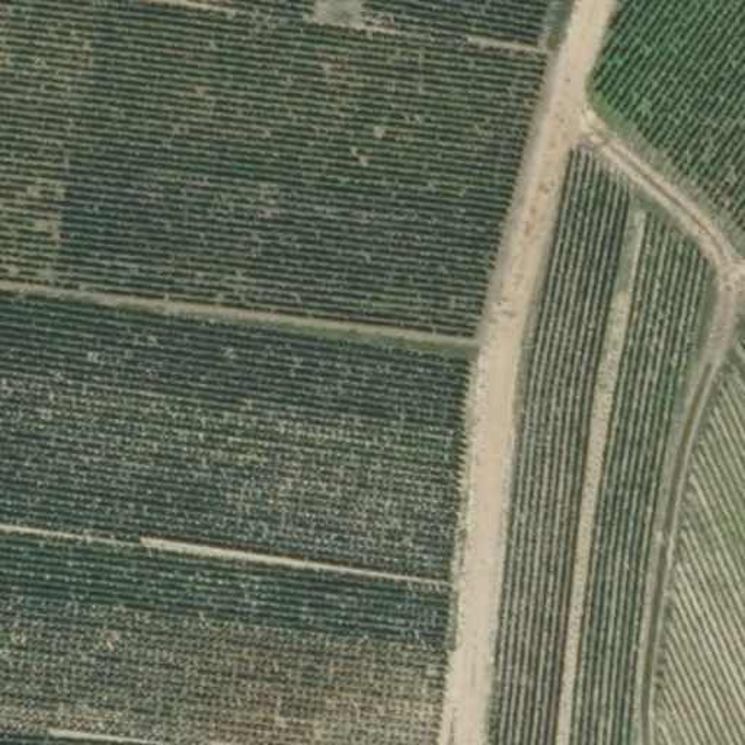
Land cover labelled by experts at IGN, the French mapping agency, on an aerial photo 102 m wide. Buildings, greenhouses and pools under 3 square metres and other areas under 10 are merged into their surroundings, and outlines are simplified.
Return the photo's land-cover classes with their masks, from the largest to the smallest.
<instances>
[{"label":"vineyard","instance_id":"1","mask_svg":"<svg viewBox=\"0 0 745 745\"><path fill-rule=\"evenodd\" d=\"M576 0H0V745H457L454 739H439V725L448 655L457 646V614H451L457 597L451 579V559L454 550H466V527L457 518L463 506L460 471L466 454V390L471 364L480 355L477 329L486 308L489 276L498 265L503 221L512 207V192L524 166V151L530 143L533 119L538 113L544 76L547 67L559 58V47L565 41ZM588 102L599 119L582 134V140L565 157V175L559 186L550 244L541 265V282L530 303L521 338V364L515 387V454L506 506V547L498 597V626L492 649V693L486 716L489 745H745V0H617L605 26L597 64L588 76Z\"/></svg>","mask_w":745,"mask_h":745},{"label":"pervious surface","instance_id":"2","mask_svg":"<svg viewBox=\"0 0 745 745\"><path fill-rule=\"evenodd\" d=\"M617 0H576L565 41L559 47V58L547 67L544 76L538 113L533 119L530 143L524 151V166L512 192V207L503 221L498 265L489 276L486 308L477 329L480 355L471 364L466 390V454L460 471L463 506L457 518L466 527V550H454L451 559V579L457 597L451 614H457V646L448 655L439 725V739H454L457 745H489L486 716L492 693V649L498 626V597L506 547V506L515 454V387L521 364V338L530 303L541 282V265L550 244L559 186L565 175V157L582 140V134L599 119L588 102V76L597 64L605 26Z\"/></svg>","mask_w":745,"mask_h":745}]
</instances>
